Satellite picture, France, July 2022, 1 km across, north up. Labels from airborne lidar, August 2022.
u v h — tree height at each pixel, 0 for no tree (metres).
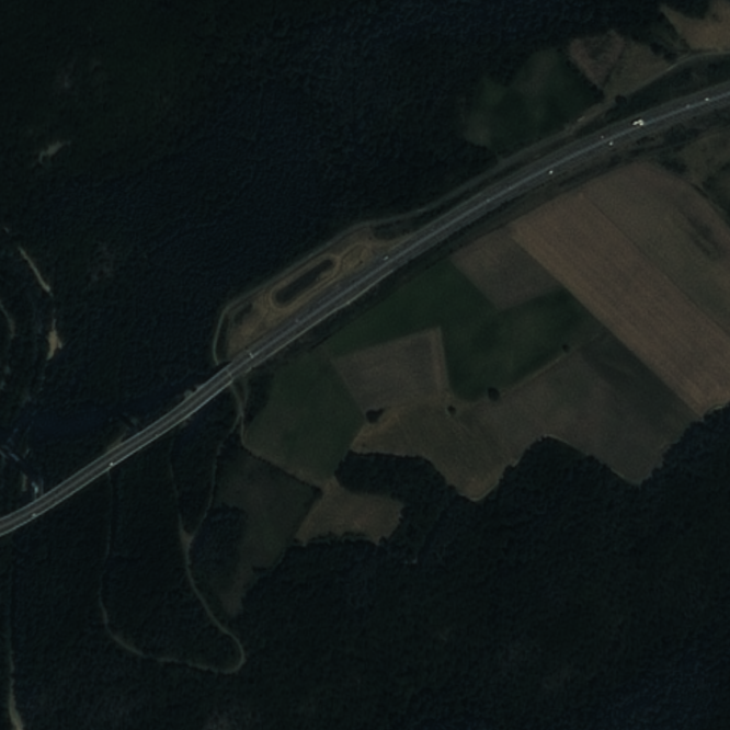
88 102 11
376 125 25
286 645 19
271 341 0
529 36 29
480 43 23
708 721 27
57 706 7
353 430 0
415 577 17
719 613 16
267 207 15
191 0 26
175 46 18
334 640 18
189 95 17
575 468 10
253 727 9
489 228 0
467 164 21
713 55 0
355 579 28
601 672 16
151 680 16
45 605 20
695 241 0
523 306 0
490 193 0
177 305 19
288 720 19
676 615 21
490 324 0
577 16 24
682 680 19
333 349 0
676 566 10
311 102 25
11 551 8
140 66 15
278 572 19
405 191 28
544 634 8
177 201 20
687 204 0
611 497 17
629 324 0
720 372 0
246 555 0
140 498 23
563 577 15
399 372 0
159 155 15
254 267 18
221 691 9
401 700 23
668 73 0
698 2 15
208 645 14
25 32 22
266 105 17
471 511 18
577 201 0
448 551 11
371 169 31
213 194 21
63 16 22
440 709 14
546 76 0
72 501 25
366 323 0
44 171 14
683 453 21
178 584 7
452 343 0
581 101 0
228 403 12
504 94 0
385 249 0
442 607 20
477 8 22
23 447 10
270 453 0
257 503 0
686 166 0
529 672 9
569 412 0
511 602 14
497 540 26
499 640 20
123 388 25
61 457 24
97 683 10
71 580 22
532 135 0
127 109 14
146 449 25
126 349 16
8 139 19
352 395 0
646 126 0
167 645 18
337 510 0
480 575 17
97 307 15
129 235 16
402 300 0
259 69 21
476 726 38
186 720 22
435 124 17
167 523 12
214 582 0
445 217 0
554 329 0
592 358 0
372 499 0
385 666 19
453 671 13
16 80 24
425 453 0
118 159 18
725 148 0
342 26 20
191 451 23
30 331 20
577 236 0
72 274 14
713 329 0
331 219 24
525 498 25
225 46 11
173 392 16
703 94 0
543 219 0
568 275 0
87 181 21
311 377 0
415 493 16
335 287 0
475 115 0
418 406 0
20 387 21
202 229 20
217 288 15
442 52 12
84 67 8
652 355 0
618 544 7
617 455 0
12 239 19
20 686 8
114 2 21
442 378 0
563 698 19
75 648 12
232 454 19
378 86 19
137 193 21
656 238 0
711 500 20
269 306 0
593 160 0
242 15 24
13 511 16
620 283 0
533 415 0
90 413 25
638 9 11
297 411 0
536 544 17
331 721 21
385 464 19
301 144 13
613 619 7
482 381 0
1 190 21
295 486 0
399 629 19
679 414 0
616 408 0
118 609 23
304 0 23
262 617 21
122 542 19
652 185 0
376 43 26
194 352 8
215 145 23
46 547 18
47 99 12
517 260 0
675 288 0
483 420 0
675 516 18
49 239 10
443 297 0
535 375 0
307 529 0
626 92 0
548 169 0
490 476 0
